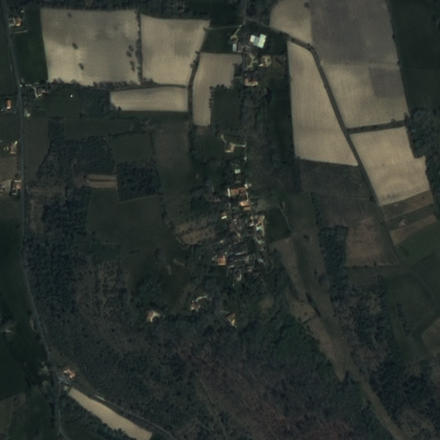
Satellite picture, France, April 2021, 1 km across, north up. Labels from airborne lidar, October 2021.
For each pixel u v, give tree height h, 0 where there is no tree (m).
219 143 0
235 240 0
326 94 0
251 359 13
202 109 0
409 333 11
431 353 0
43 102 0
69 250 6
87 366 6
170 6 20
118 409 14
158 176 7
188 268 7
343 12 0
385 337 12
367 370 16
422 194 0
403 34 0
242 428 0
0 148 0
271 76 0
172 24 0
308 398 24
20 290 0
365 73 0
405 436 0
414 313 0
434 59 0
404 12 0
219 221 8
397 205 0
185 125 0
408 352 0
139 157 0
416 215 0
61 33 0
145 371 10
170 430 13
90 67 0
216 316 20
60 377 0
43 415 0
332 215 0
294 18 0
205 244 10
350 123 0
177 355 7
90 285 0
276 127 0
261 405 16
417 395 20
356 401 22
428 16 0
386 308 10
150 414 10
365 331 8
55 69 0
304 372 16
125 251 0
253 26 8
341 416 16
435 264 0
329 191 0
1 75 0
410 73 0
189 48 0
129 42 0
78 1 10
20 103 0
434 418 13
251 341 22
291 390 11
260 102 9
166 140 0
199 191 15
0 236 0
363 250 0
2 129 0
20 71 0
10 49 0
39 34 0
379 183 0
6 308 0
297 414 22
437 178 6
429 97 0
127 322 10
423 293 0
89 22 0
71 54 0
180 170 0
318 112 0
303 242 0
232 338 22
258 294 6
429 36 0
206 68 0
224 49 0
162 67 0
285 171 8
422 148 15
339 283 6
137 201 0
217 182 0
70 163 10
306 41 0
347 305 15
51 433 0
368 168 0
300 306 0
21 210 0
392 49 0
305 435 26
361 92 0
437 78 0
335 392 18
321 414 15
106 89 14
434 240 0
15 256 0
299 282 0
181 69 0
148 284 21
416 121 14
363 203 0
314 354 19
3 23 0
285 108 0
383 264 0
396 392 19
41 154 0
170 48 0
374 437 18
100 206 0
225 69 0
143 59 11
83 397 0
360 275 0
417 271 0
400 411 16
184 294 8
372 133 0
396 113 0
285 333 19
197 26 0
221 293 9
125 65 0
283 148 0
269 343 16
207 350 18
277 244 0
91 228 0
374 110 0
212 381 12
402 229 0
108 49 0
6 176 0
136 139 0
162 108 0
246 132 8
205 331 20
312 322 0
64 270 17
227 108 0
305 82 0
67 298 18
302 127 0
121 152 0
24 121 0
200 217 11
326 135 0
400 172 0
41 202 9
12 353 0
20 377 0
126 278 12
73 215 20
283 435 11
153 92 0
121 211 0
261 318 7
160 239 0
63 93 0
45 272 14
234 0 32
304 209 0
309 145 0
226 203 8
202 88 0
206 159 0
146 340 11
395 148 0
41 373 0
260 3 22
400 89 0
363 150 0
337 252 9
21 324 0
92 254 7
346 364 0
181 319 12
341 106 0
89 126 0
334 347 0
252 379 18
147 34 0
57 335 7
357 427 19
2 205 0
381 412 0
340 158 0
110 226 0
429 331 0
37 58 0
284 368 26
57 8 17
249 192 10
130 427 0
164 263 20
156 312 7
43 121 0
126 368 7
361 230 0
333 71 0
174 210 0
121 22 0
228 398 15
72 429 0
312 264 0
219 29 0
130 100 0
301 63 0
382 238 0
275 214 0
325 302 0
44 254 10
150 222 0
